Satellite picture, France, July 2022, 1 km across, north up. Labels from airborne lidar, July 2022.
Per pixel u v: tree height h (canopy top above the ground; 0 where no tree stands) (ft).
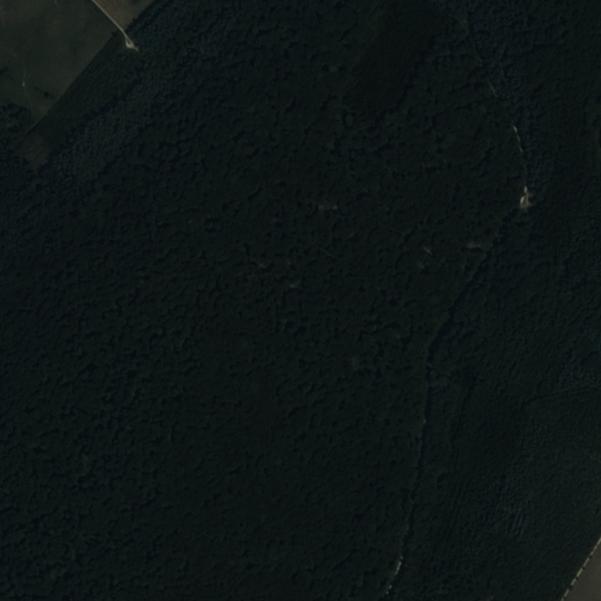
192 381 85
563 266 72
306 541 83
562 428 40
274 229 100
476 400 53
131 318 79
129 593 64
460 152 99
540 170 94
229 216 98
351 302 99
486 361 45
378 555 86
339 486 71
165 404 86
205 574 59
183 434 86
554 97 78
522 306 55
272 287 78
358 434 90
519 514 33
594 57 63
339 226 83
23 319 78
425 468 81
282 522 80
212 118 87
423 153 79
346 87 67
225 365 73
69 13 0
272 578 76
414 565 73
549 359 45
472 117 95
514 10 70
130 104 79
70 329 79
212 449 88
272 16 94
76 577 88
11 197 99
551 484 36
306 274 76
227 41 77
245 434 87
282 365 83
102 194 92
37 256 79
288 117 108
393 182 77
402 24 74
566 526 27
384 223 77
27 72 0
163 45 97
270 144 98
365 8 85
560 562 35
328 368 73
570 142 57
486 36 101
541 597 36
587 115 75
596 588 0
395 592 53
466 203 101
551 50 86
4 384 102
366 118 54
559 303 58
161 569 85
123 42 0
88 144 85
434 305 69
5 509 45
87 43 0
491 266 87
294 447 84
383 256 76
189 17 87
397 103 47
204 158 75
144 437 81
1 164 56
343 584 84
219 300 80
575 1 91
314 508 85
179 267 86
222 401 79
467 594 42
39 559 75
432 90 78
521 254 97
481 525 30
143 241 81
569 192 52
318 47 106
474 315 97
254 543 93
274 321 72
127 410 73
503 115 68
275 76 80
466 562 45
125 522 89
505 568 48
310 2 79
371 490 93
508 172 98
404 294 95
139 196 83
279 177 90
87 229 75
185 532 93
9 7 0
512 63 63
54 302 87
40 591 100
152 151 92
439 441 75
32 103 0
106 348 74
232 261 93
